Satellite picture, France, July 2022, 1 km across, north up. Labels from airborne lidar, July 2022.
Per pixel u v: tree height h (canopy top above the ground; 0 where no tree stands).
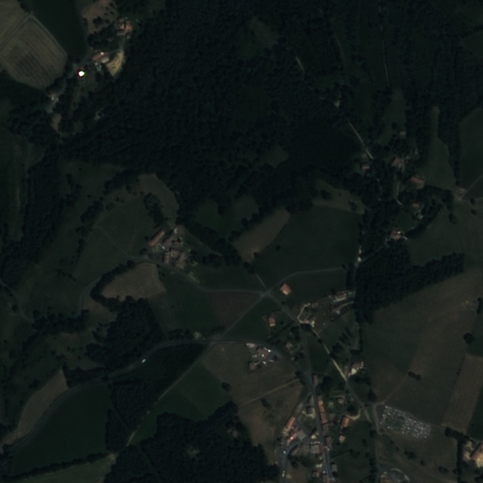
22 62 0
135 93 28
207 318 0
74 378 15
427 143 8
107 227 0
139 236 0
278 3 28
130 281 0
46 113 17
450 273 22
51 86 10
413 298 0
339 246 0
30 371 0
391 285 17
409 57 20
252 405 0
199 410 0
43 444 0
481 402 0
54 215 22
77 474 0
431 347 0
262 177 27
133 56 18
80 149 7
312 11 24
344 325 0
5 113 0
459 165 13
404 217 0
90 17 0
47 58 0
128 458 21
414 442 0
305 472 0
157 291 0
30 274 0
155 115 23
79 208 0
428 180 0
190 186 19
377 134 19
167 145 24
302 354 12
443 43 17
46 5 0
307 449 0
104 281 13
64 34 0
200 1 28
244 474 21
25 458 0
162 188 0
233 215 0
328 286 0
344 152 7
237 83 27
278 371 0
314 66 8
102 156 22
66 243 0
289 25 27
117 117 22
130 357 19
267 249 0
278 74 28
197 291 0
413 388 0
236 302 0
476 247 0
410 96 7
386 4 19
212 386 0
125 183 20
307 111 31
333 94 16
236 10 31
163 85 23
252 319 0
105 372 14
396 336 0
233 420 15
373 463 14
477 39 0
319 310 0
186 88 23
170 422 13
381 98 18
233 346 0
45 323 26
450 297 0
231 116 7
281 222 0
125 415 26
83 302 0
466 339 17
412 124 19
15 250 20
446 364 0
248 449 21
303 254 0
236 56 28
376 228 27
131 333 25
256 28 0
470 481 0
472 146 0
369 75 21
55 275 0
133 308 23
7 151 0
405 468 0
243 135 23
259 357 0
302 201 23
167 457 15
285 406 0
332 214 0
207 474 19
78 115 25
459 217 0
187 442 17
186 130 14
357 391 0
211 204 0
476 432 0
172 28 26
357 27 24
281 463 0
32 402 0
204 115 30
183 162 30
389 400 0
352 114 16
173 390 0
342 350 28
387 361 0
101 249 0
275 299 0
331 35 17
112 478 20
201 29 33
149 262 0
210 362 0
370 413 0
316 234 0
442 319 0
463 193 0
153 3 0
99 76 22
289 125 24
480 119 0
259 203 8
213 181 32
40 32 0
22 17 0
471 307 0
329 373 0
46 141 10
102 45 13
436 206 13
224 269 0
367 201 22
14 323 0
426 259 0
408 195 16
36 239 20
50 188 17
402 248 22
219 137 27
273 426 0
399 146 18
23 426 0
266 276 0
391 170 22
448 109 21
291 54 26
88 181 0
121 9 13
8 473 23
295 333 12
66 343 0
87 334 0
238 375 0
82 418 0
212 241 25
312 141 10
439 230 0
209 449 20
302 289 0
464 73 17
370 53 0
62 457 0
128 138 20
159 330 12
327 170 6
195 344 6
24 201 7
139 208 0
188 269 0
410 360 0
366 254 17
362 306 23
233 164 11
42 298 0
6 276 24
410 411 0
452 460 0
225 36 25
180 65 24
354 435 0
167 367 8
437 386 0
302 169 8
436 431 0
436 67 14
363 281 15
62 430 0
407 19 20
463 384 0
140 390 28
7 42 0
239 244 0
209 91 23
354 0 22
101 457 6
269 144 19
